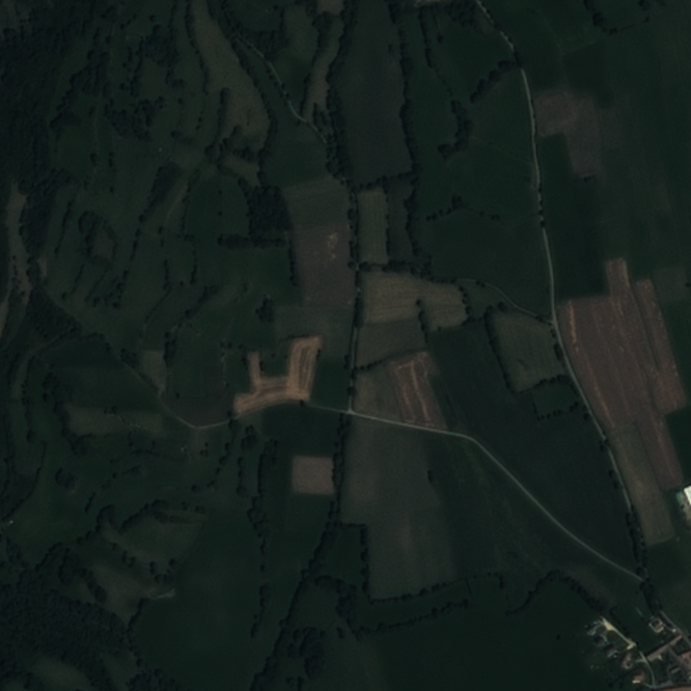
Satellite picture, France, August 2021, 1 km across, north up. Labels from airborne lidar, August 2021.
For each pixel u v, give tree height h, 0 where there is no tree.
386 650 0
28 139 9
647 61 0
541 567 0
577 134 0
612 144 0
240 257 0
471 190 0
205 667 0
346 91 0
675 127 0
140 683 14
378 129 0
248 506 0
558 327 0
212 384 0
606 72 0
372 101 0
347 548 0
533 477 0
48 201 15
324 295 0
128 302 0
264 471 15
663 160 0
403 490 0
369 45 0
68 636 7
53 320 15
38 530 0
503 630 0
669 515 0
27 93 19
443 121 0
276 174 0
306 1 10
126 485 0
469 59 0
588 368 0
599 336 0
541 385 7
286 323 0
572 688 0
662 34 0
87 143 0
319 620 0
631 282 0
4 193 9
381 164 0
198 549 0
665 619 6
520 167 0
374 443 0
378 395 0
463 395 0
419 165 12
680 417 0
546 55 0
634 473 0
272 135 10
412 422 0
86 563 0
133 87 12
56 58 6
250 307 0
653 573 0
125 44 0
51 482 0
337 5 0
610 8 0
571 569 0
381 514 0
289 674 0
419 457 0
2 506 13
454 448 0
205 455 9
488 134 0
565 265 0
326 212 0
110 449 0
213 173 0
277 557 0
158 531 0
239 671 0
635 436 0
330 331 0
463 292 14
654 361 0
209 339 0
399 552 0
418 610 0
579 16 0
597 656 0
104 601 15
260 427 0
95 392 0
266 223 16
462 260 0
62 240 8
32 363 14
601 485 0
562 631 0
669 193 0
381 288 0
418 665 0
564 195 0
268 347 0
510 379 12
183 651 0
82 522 0
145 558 0
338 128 17
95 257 6
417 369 0
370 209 0
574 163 0
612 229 0
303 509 0
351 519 0
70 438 12
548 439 0
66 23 8
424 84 0
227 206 0
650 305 0
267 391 0
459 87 0
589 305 0
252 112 0
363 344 0
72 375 0
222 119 9
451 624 0
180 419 0
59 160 0
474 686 0
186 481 0
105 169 0
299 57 0
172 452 0
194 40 7
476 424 0
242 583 0
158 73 0
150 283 0
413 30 0
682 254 0
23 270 0
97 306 9
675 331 0
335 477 11
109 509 10
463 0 7
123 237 0
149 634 0
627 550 0
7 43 11
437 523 0
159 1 0
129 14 0
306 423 0
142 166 0
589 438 0
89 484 0
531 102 5
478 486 0
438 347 0
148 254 0
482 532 0
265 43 12
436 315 0
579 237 0
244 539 0
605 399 0
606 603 0
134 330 0
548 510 0
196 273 9
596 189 0
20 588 13
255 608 0
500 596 0
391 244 10
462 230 0
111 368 0
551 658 0
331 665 0
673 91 0
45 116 7
